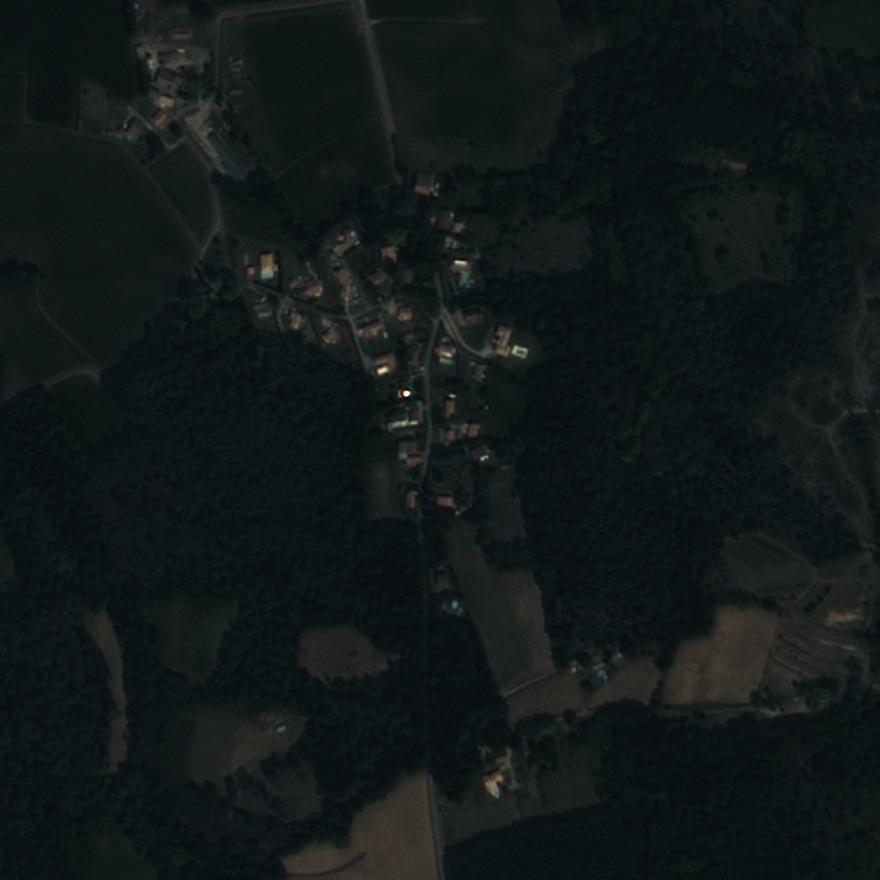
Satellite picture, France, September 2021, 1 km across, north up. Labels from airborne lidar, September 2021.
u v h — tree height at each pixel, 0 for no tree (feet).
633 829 52
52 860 65
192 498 76
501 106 0
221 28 0
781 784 43
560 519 57
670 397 81
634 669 0
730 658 0
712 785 64
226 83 0
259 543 76
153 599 30
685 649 0
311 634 0
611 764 46
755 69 62
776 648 0
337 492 55
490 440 27
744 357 71
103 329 0
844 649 0
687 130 28
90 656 46
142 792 60
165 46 0
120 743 0
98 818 87
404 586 83
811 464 0
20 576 35
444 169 0
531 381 37
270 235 0
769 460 56
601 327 59
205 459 85
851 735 34
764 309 64
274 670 65
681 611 45
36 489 76
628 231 85
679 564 46
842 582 0
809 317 100
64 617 91
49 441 41
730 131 39
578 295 68
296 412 75
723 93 50
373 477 0
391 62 0
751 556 0
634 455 32
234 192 55
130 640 62
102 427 0
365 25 0
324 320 0
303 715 26
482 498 37
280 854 23
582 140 70
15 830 93
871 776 52
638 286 76
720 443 56
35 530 87
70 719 66
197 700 27
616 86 61
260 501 84
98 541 29
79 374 0
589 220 73
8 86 0
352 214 47
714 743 44
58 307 0
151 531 65
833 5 0
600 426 37
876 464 0
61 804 85
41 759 73
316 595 52
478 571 0
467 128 0
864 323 0
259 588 36
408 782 0
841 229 82
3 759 62
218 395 74
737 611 0
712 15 47
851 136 95
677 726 24
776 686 0
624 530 35
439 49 0
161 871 61
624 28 21
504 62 0
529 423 46
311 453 81
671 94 47
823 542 48
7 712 78
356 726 68
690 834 57
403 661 27
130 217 0
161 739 26
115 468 69
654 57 46
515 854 59
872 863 29
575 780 0
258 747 0
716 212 24
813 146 92
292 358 77
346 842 54
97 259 0
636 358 69
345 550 80
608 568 40
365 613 56
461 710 77
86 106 0
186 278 0
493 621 0
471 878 40
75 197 0
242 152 0
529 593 0
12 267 52
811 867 61
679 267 76
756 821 39
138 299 0
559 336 51
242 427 89
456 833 0
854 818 53
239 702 52
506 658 0
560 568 51
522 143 0
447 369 0
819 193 82
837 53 0
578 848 61
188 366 61
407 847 0
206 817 0
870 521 0
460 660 63
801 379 0
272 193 27
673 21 48
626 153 51
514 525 0
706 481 26
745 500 27
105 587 73
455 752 60
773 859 57
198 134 0
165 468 77
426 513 51
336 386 86
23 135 0
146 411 82
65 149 0
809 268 51
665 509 33
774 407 0
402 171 50
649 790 78
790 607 0
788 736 19
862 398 0
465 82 0
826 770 70
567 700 0
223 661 55
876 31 0
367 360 0
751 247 0
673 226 29
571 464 53
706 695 0
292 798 0
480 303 27
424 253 51
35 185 0
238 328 73
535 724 46
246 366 50
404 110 0
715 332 80
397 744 53
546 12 0
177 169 0
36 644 90
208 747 0
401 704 52
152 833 81
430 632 71
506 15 0
